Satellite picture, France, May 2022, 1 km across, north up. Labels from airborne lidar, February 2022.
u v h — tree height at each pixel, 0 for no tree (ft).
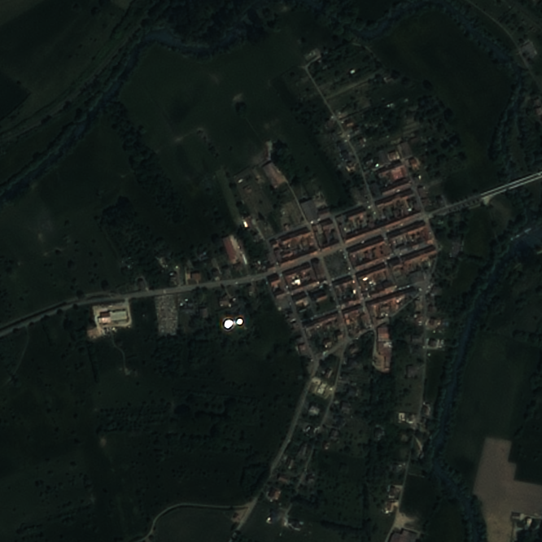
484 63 0
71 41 0
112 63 22
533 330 0
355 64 0
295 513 0
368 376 0
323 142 0
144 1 28
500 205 0
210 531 0
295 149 0
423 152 0
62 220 0
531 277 0
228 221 0
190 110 0
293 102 0
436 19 0
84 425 0
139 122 0
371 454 38
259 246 0
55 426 0
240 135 0
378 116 23
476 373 0
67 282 0
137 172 55
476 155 0
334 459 0
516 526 0
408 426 0
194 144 0
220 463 0
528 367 0
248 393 0
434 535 0
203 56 52
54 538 0
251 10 0
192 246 22
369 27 28
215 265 0
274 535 0
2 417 0
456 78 0
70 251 0
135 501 0
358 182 26
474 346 22
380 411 47
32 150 0
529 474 0
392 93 0
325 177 0
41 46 0
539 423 0
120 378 0
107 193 0
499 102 0
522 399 0
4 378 0
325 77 0
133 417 19
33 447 0
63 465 0
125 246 19
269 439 0
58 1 0
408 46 0
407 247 0
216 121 0
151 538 22
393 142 0
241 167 0
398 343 45
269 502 0
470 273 0
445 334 0
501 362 0
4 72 0
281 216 0
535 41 0
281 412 0
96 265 22
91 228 0
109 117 36
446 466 49
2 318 0
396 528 0
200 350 19
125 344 0
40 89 0
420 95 0
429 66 0
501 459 0
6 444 0
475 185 0
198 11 103
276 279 0
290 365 0
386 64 0
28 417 0
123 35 18
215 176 0
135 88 0
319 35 0
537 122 0
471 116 0
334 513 0
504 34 0
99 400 0
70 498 0
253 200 0
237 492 0
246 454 23
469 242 0
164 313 0
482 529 50
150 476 0
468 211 52
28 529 19
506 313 0
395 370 28
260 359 0
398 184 0
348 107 19
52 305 0
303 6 25
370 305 0
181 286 0
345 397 21
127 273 31
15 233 0
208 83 0
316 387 0
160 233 0
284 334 0
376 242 0
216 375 0
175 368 47
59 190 0
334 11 49
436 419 34
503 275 48
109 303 0
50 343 24
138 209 0
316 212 0
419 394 0
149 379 0
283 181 0
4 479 0
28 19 0
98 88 46
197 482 0
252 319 21
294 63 0
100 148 0
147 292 0
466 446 0
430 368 0
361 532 31
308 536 0
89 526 20
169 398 0
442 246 0
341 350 0
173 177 0
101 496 0
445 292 0
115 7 0
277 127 0
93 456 0
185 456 0
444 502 0
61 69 0
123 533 0
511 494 0
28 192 46
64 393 0
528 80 51
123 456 0
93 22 0
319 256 0
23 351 0
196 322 40
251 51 0
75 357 0
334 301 24
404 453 0
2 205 48
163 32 0
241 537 34
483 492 0
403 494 0
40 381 0
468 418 0
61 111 28
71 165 0
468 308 44
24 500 0
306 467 0
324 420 0
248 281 0
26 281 0
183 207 30
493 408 0
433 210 0
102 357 0
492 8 0
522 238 0
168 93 0
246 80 0
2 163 0
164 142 0
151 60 0
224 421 46
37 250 0
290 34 0
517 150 0
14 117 24
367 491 27
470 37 45
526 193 35
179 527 0
